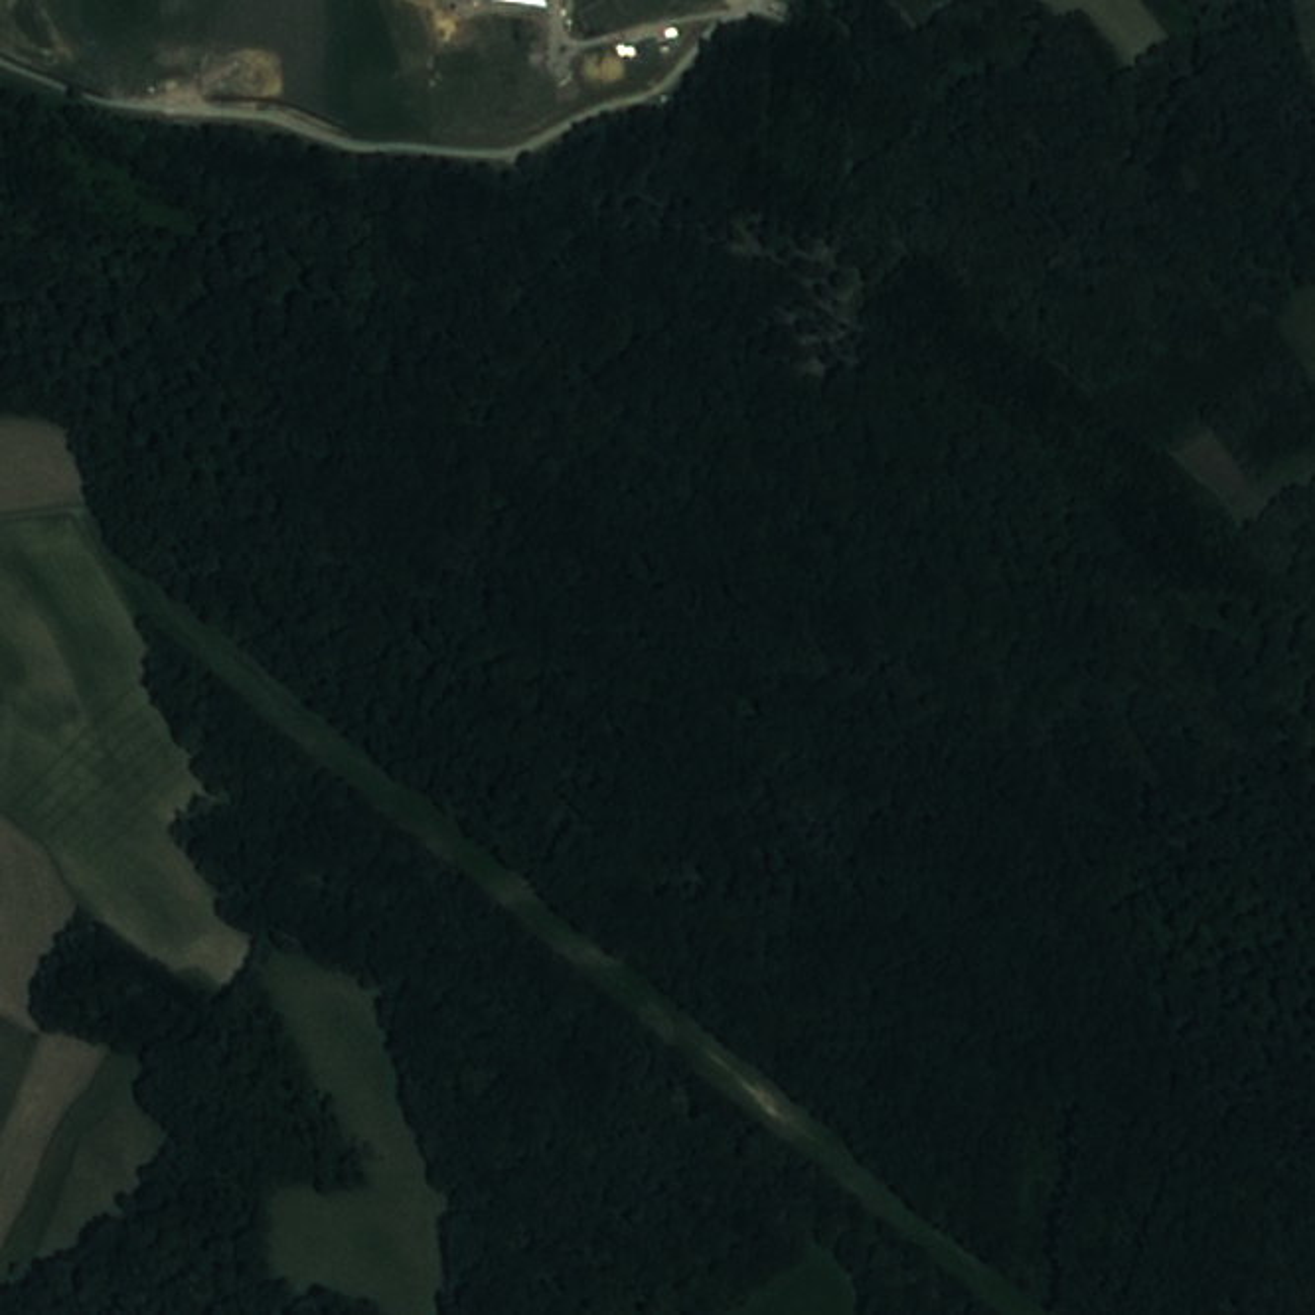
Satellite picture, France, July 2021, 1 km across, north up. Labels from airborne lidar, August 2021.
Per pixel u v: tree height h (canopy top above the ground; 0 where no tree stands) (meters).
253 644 12
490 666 8
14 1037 0
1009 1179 27
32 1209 0
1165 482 8
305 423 21
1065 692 23
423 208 28
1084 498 13
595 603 32
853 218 19
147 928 0
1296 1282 19
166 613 0
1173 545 10
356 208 28
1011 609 17
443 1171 23
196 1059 24
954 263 20
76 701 0
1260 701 23
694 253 25
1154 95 18
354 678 24
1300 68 17
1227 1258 27
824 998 25
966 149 20
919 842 31
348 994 0
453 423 24
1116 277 22
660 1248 29
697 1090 25
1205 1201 29
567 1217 24
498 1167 15
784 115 10
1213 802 27
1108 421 7
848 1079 27
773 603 30
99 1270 20
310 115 0
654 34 0
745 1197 29
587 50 0
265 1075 14
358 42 0
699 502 27
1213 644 23
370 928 27
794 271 20
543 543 26
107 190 10
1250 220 22
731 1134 22
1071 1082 29
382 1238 0
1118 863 27
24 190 13
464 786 23
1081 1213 30
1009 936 30
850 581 28
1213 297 20
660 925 30
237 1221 13
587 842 27
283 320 22
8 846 0
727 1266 27
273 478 30
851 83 11
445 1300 16
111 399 29
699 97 19
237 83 0
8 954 0
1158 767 23
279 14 0
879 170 15
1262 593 11
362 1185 14
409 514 23
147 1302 20
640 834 29
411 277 23
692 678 31
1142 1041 25
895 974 28
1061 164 26
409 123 0
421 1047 28
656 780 25
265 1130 14
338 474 22
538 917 0
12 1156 0
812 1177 26
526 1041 25
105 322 13
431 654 19
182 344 30
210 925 0
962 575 20
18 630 0
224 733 23
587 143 16
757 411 26
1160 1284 24
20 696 0
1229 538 9
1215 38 16
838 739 24
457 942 23
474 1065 24
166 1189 21
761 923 25
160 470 25
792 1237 26
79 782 0
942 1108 28
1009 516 24
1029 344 8
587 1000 23
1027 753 22
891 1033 25
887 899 31
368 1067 0
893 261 19
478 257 29
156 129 22
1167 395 9
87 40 0
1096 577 22
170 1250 22
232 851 20
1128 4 0
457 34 0
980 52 23
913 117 11
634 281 24
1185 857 22
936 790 28
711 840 31
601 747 27
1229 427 12
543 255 26
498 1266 32
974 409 15
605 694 22
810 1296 0
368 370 29
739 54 20
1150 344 18
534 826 20
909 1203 25
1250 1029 20
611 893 24
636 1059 22
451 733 27
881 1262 30
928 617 21
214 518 28
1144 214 20
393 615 24
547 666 21
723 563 25
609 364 23
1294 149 21
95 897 0
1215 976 22
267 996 16
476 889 25
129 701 0
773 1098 0
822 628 24
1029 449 13
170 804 0
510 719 29
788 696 30
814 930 21
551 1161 22
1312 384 15
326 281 21
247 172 29
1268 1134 28
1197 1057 24
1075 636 16
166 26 0
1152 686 18
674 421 26
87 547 0
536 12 0
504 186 18
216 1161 19
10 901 0
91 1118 0
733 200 14
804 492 31
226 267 10
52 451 0
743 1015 30
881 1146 27
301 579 9
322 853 24
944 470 19
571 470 21
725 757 28
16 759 0
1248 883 23
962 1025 27
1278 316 12
